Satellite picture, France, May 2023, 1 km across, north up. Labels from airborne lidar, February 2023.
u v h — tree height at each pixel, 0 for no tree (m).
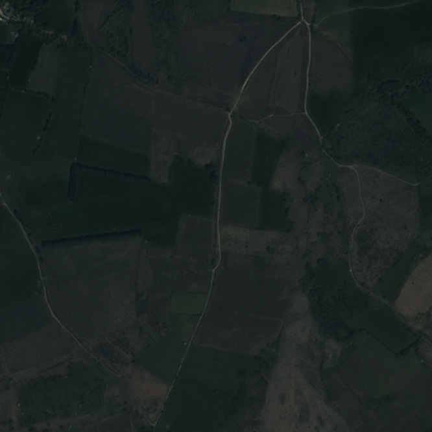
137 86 0
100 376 0
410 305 0
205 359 0
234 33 0
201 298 0
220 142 0
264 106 0
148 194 0
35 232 0
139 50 0
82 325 0
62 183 0
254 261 0
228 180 0
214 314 0
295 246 0
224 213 0
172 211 0
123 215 0
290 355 0
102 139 0
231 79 0
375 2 0
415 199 0
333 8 0
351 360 0
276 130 0
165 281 0
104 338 0
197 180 0
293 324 0
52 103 6
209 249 0
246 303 0
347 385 0
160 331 0
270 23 0
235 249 0
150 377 0
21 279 0
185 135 0
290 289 0
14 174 0
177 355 0
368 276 0
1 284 0
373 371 0
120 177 21
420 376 0
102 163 0
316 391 0
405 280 0
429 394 0
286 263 0
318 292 7
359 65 0
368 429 0
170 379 0
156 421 0
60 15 0
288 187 0
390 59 0
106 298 0
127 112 0
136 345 0
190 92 0
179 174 0
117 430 0
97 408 0
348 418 0
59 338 0
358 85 0
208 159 0
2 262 0
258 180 0
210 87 0
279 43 0
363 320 0
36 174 0
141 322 0
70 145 0
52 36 7
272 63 0
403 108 9
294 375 0
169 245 0
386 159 0
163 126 0
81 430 0
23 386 0
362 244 0
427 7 0
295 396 0
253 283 0
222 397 0
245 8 0
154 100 0
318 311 7
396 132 0
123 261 0
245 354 0
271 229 0
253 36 0
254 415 0
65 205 0
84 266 0
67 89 0
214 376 0
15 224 0
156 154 0
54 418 0
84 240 23
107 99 0
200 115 0
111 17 8
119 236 21
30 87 0
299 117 0
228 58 0
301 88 0
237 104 0
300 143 0
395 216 0
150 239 0
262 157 0
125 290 0
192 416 0
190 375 0
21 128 0
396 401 0
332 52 0
